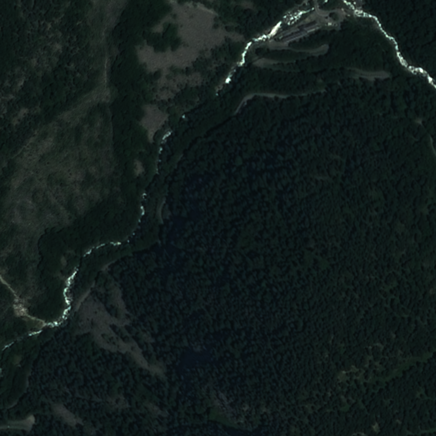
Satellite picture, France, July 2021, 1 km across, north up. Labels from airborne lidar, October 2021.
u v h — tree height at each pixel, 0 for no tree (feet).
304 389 73
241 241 92
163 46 71
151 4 28
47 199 24
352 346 75
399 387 110
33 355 77
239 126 96
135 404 57
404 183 95
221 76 62
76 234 30
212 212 53
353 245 60
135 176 31
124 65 115
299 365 55
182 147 52
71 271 32
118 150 65
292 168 71
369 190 38
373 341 89
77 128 44
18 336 22
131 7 23
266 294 63
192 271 63
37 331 79
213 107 92
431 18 58
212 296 35
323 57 62
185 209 42
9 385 31
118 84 111
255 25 95
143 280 107
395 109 24
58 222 0
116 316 67
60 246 113
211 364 112
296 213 98
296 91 75
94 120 27
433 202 50
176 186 78
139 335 64
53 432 91
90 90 29
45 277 85
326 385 32
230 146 53
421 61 98
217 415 0
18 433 52
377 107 60
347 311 89
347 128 49
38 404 84
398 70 49
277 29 0
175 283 47
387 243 43
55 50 25
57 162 25
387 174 67
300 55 35
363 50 58
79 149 21
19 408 68
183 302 70
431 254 19
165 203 25
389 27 50
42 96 81
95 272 84
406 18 52
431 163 52
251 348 74
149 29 34
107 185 52
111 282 36
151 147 91
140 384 114
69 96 63
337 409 82
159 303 45
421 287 100
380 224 52
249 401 48
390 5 76
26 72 60
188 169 66
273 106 104
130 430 40
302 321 74
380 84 67
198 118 116
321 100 75
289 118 51
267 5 81
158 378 37
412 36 72
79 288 94
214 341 42
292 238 45
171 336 105
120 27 93
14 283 35
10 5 83
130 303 75
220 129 98
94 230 55
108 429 23
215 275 52
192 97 55
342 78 28
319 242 106
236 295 44
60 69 71
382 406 82
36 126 50
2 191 52
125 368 102
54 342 49
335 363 60
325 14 0
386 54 54
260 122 86
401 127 100
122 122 89
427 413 89
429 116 88
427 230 66
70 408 75
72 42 125
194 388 31
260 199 36
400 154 100
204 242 53
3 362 44
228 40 54
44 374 89
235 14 41
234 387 38
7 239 23
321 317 102
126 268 83
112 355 23
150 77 55
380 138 92
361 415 117
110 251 86
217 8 45
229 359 60
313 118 100
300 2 75
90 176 32
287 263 50
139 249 71
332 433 67
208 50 33
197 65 60
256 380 45
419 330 91
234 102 60
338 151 108
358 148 81
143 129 87
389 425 90
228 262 44
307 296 77
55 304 97
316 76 78
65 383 39
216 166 38
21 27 78
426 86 54
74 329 41
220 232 45
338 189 30
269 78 61
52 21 46
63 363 103
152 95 28
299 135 33
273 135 86
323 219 77
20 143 75
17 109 90
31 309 63
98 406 96
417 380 94
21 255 51
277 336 67
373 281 71
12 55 71
